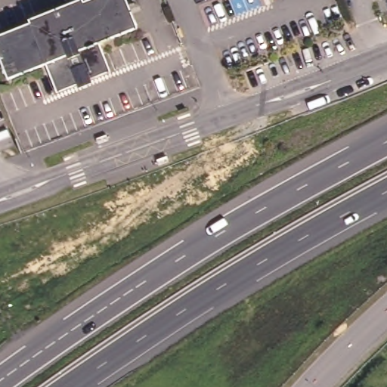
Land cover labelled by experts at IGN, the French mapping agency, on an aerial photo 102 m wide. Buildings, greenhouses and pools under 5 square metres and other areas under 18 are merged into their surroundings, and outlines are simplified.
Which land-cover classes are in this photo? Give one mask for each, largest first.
<instances>
[{"label":"impervious surface","instance_id":"1","mask_svg":"<svg viewBox=\"0 0 387 387\"><path fill-rule=\"evenodd\" d=\"M70 0H0V32L26 23L27 18L32 15L56 8ZM127 11L132 21L138 20V29L144 32L145 38L142 41L122 44L119 47L116 45L110 53H106L109 68L104 73L92 77L85 85H71L53 92L50 79L44 76V70L33 68L21 73L11 82H6L5 86H0V213L51 197L67 187L85 186L98 180L115 184L142 172H157L160 165L175 160V153L178 151L200 144L201 138L222 132L234 125L242 130V133H259L266 125L277 127L289 122L295 115L307 116L317 107L336 106L345 98L355 97L387 85V0H133L127 3ZM95 139L97 142L91 148L65 156L57 165H45V157ZM387 160V118L381 116L355 132L337 139L333 144L320 148L310 156L287 166L283 171L271 175L262 183L255 184L251 189L240 193L239 197L222 204L218 209H213L150 251L139 255L138 259L113 272L86 290L79 298L63 305L47 319L33 317L30 322L20 320V331L12 334L11 342L0 346V387H21L33 376L51 366L54 361L109 327L119 317L132 311L156 293L162 292L184 275L200 268L225 249L251 236L255 231L262 230L271 222L283 218L287 213L310 203L314 198L324 195L328 190ZM387 218V174L382 172L375 175L354 189L328 201L324 206L317 207L307 215L290 222L286 227L274 231L260 242L243 249L227 262L201 275L198 280L192 281L132 322H128L121 330L71 361L68 366L45 379L38 387H113L186 339L193 331L245 301L248 296L271 286L305 263L311 262L319 255ZM379 289L375 295L367 299L330 337H327L283 387H346L357 373L361 372L366 361L376 357L387 354V278L379 275L376 283Z\"/></svg>","mask_w":387,"mask_h":387},{"label":"herbaceous vegetation","instance_id":"2","mask_svg":"<svg viewBox=\"0 0 387 387\"><path fill-rule=\"evenodd\" d=\"M381 116L387 118V85L355 97L345 98L336 106L317 107L307 116L295 115L289 122L277 127L266 125L259 133L254 138L257 153L245 160L242 166L234 169L227 180L219 181L218 190L207 186V174L187 178L181 183L177 197L162 198L150 213V219L144 224L130 228V233L118 242L104 245L98 237L86 240V246H97V254L85 257L80 245H77L67 255L53 260L54 265H67V271L62 275H54L50 271L35 274L29 271L27 263L41 259L42 255L51 254L53 243L77 239L85 231L106 224L115 215L104 207V203L116 200V195L121 190L133 195L139 190L157 186L177 172L186 171L189 165L206 166L203 157L200 156L203 153L200 144L178 151L175 153V160L160 165L157 172H142L115 184L98 180L85 186L67 187L51 197L0 213V346L11 342L12 334L20 331V320L30 322L33 317L47 319L63 305L79 298L86 290L113 272L138 259L139 255L150 251L213 209H218L222 204L239 197L240 193L251 189L255 184L262 183L271 175L283 171L287 166L310 156L320 148L333 144L337 139L355 132ZM97 142L95 139L45 157V165H57L65 156L91 148ZM382 172L387 174V160L328 190L324 195L314 198L310 203L287 213L283 218L271 222L262 230L255 231L251 236L225 249L200 268L184 275L162 292L156 293L132 311L119 317L109 327L54 361L51 366L33 376L21 387H38L45 379L68 366L71 361L121 330L128 322H132L192 281L198 280L201 275L227 262L243 249L260 242L274 231L286 227L290 222L307 215L317 207L324 206L328 201L354 189L375 175ZM379 275L387 278V218L319 255L311 262L305 263L271 286L248 296L245 301L193 331L186 339L113 387H283L327 337H330L367 299L375 295L379 289L376 283ZM381 364L364 379L363 387H387V354L376 357Z\"/></svg>","mask_w":387,"mask_h":387},{"label":"building","instance_id":"3","mask_svg":"<svg viewBox=\"0 0 387 387\"><path fill-rule=\"evenodd\" d=\"M133 0H70L56 8L32 15L27 18L26 23L0 32V86H5L6 82H11L21 73L33 68L44 70V76L50 79L53 92L71 85H85L92 77L104 73L109 68L106 53L104 45L138 29V20L132 21L127 11V3Z\"/></svg>","mask_w":387,"mask_h":387},{"label":"pervious surface","instance_id":"4","mask_svg":"<svg viewBox=\"0 0 387 387\"><path fill-rule=\"evenodd\" d=\"M259 133H242V130L234 125L222 132L201 138L200 144L203 153L200 156L203 157L206 166L189 165L186 171L177 172L157 186L139 190L133 195L121 190L116 195V200L104 203V207L115 215L106 224L85 231L77 239L53 243L51 254L42 255L41 259L27 263L29 271L35 274L50 271L54 275H62L67 271V265H54L53 260L67 255L77 245H80L85 257L97 254V246H86V240L98 237L104 245L118 242L130 233V228L144 224L150 219V213L162 198L177 197L181 183L187 178L207 174V186L218 190L219 181L227 180L234 169L242 166L245 160L257 153L254 138Z\"/></svg>","mask_w":387,"mask_h":387},{"label":"brushwood","instance_id":"5","mask_svg":"<svg viewBox=\"0 0 387 387\"><path fill-rule=\"evenodd\" d=\"M145 38L144 32L138 29L104 45L106 53H110L116 45L119 47L122 44L142 41ZM381 364L376 357L366 361L361 372L357 373L346 387H363L364 379Z\"/></svg>","mask_w":387,"mask_h":387}]
</instances>
